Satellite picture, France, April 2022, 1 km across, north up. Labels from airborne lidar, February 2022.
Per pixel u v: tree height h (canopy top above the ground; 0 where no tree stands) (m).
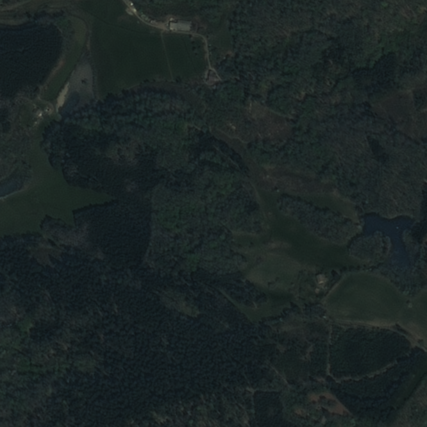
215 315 24
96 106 24
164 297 33
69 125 19
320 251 0
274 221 0
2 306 28
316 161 24
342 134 25
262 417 14
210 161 19
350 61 15
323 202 0
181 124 23
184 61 0
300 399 22
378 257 25
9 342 28
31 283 35
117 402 34
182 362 32
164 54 0
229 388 17
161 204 27
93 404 28
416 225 15
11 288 31
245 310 0
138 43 0
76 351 24
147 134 24
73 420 27
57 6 0
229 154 25
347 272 17
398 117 0
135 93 0
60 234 17
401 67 11
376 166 25
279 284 12
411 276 15
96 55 0
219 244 23
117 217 19
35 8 0
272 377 12
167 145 24
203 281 21
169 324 32
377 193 25
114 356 30
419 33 9
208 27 0
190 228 22
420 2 27
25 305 31
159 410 24
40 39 18
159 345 24
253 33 24
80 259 34
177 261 23
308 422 17
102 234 18
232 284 17
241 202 22
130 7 0
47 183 0
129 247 18
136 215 19
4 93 18
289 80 24
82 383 34
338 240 20
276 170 0
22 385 27
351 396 8
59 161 34
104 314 27
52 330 10
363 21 20
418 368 29
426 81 16
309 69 23
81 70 0
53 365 24
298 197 0
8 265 35
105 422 23
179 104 29
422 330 0
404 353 10
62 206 0
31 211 0
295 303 0
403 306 0
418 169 23
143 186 18
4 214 0
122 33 0
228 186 20
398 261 0
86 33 0
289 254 0
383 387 12
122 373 34
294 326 0
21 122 0
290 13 26
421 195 26
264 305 14
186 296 23
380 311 0
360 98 24
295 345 16
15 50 17
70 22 19
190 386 30
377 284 0
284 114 28
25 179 15
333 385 31
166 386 29
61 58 10
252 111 0
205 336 32
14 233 0
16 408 26
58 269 31
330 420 14
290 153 21
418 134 0
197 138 23
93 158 19
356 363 12
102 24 0
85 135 9
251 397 22
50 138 26
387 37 21
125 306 26
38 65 20
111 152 10
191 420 26
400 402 0
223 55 0
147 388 34
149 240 17
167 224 25
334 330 7
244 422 18
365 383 11
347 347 11
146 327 27
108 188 17
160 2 23
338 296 0
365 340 11
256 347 33
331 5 23
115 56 0
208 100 7
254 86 22
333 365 11
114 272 27
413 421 19
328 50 7
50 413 33
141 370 37
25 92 18
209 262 20
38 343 11
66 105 0
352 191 28
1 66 18
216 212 16
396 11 23
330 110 22
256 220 18
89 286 31
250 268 0
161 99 24
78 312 30
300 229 0
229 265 16
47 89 0
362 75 27
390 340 14
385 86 27
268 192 0
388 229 0
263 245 0
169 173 27
